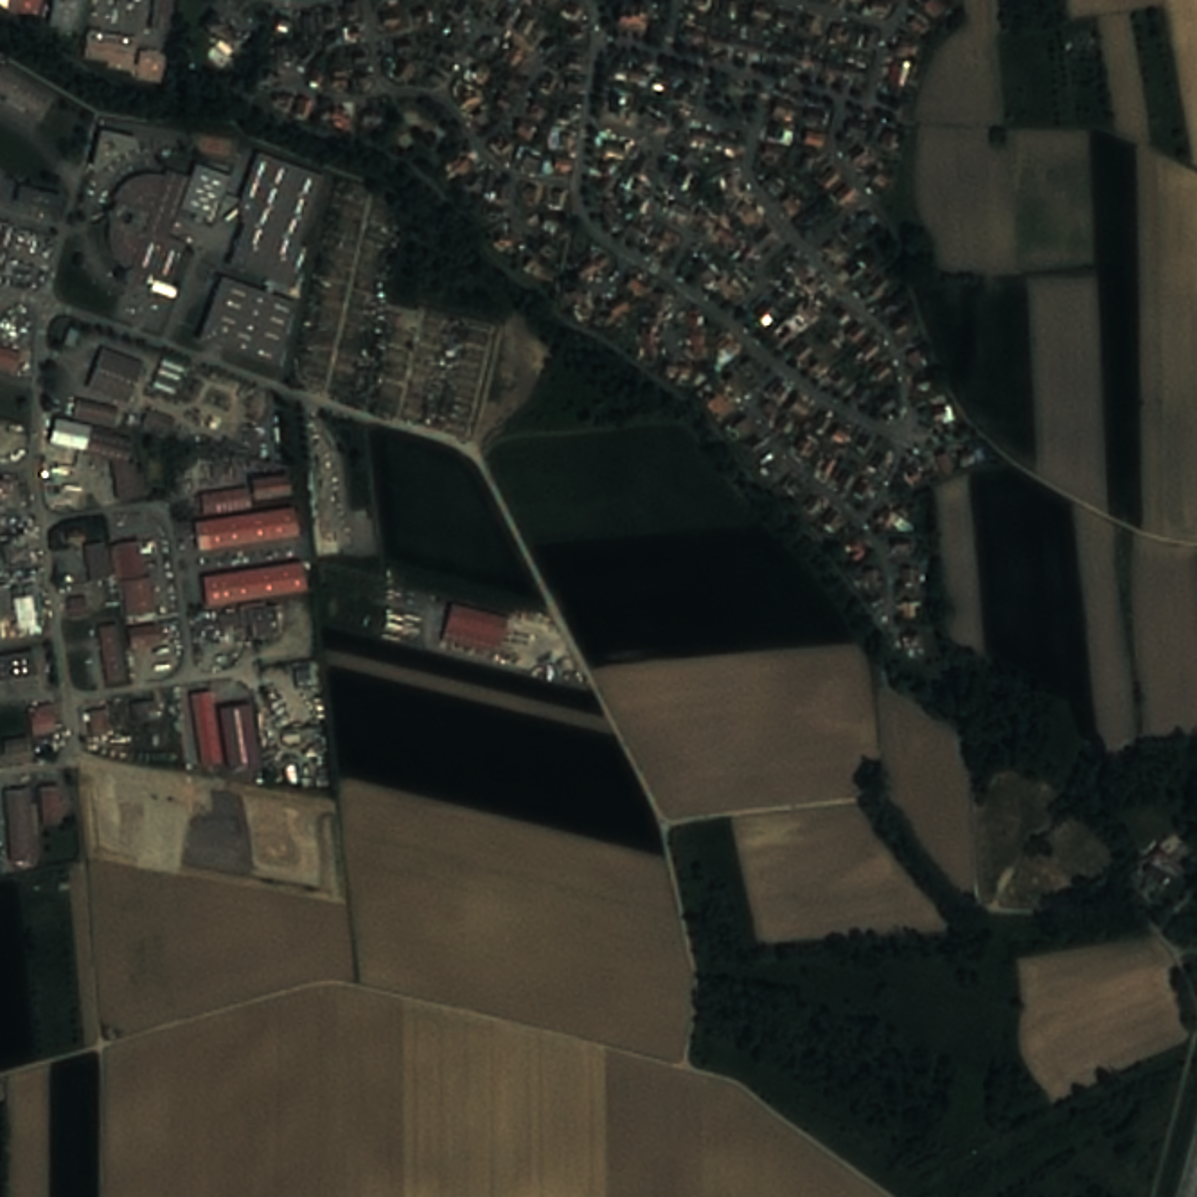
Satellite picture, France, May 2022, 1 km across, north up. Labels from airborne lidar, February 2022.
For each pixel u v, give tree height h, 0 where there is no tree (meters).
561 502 0
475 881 0
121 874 0
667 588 0
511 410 0
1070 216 0
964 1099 0
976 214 0
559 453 0
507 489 0
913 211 0
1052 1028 0
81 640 0
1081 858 0
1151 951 0
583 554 0
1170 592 0
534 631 0
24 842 0
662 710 0
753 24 11
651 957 0
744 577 0
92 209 0
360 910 0
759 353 0
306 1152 0
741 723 0
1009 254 0
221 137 0
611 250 0
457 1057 0
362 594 0
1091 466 0
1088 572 0
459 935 0
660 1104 0
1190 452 0
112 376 0
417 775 0
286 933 0
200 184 0
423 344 0
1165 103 0
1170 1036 0
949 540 0
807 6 0
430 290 18
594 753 0
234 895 0
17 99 0
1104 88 7
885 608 0
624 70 0
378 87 0
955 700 24
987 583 0
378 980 0
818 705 0
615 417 12
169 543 0
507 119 0
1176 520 0
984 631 0
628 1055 0
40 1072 0
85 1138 0
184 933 0
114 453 0
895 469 0
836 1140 0
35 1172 0
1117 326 0
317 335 0
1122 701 0
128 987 0
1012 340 0
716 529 0
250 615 0
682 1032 0
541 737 0
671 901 0
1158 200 0
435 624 0
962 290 0
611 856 0
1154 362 0
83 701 0
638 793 0
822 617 0
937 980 0
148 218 0
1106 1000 0
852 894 0
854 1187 0
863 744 0
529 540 0
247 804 0
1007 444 0
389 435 0
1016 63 0
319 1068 0
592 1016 0
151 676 0
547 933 0
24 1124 0
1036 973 0
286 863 0
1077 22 0
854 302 0
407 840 0
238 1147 0
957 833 0
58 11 0
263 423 0
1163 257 0
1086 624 0
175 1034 0
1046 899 0
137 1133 0
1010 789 0
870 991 0
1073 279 0
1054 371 0
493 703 0
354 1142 0
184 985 0
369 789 0
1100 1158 0
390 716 0
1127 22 0
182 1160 0
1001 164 0
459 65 0
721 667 0
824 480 0
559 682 0
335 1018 0
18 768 0
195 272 0
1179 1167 0
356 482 0
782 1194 0
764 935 0
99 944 0
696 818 0
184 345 0
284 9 0
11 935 0
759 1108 0
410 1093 0
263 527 0
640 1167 0
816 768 0
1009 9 8
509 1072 0
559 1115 0
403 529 0
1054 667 0
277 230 0
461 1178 0
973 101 0
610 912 0
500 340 0
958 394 0
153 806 0
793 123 0
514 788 0
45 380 10
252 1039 0
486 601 0
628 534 0
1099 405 0
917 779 0
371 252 0
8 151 0
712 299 9
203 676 0
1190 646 0
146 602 0
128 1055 0
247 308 0
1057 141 0
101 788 0
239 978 0
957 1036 0
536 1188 0
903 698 0
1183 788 0
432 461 0
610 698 0
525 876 0
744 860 0
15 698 0
